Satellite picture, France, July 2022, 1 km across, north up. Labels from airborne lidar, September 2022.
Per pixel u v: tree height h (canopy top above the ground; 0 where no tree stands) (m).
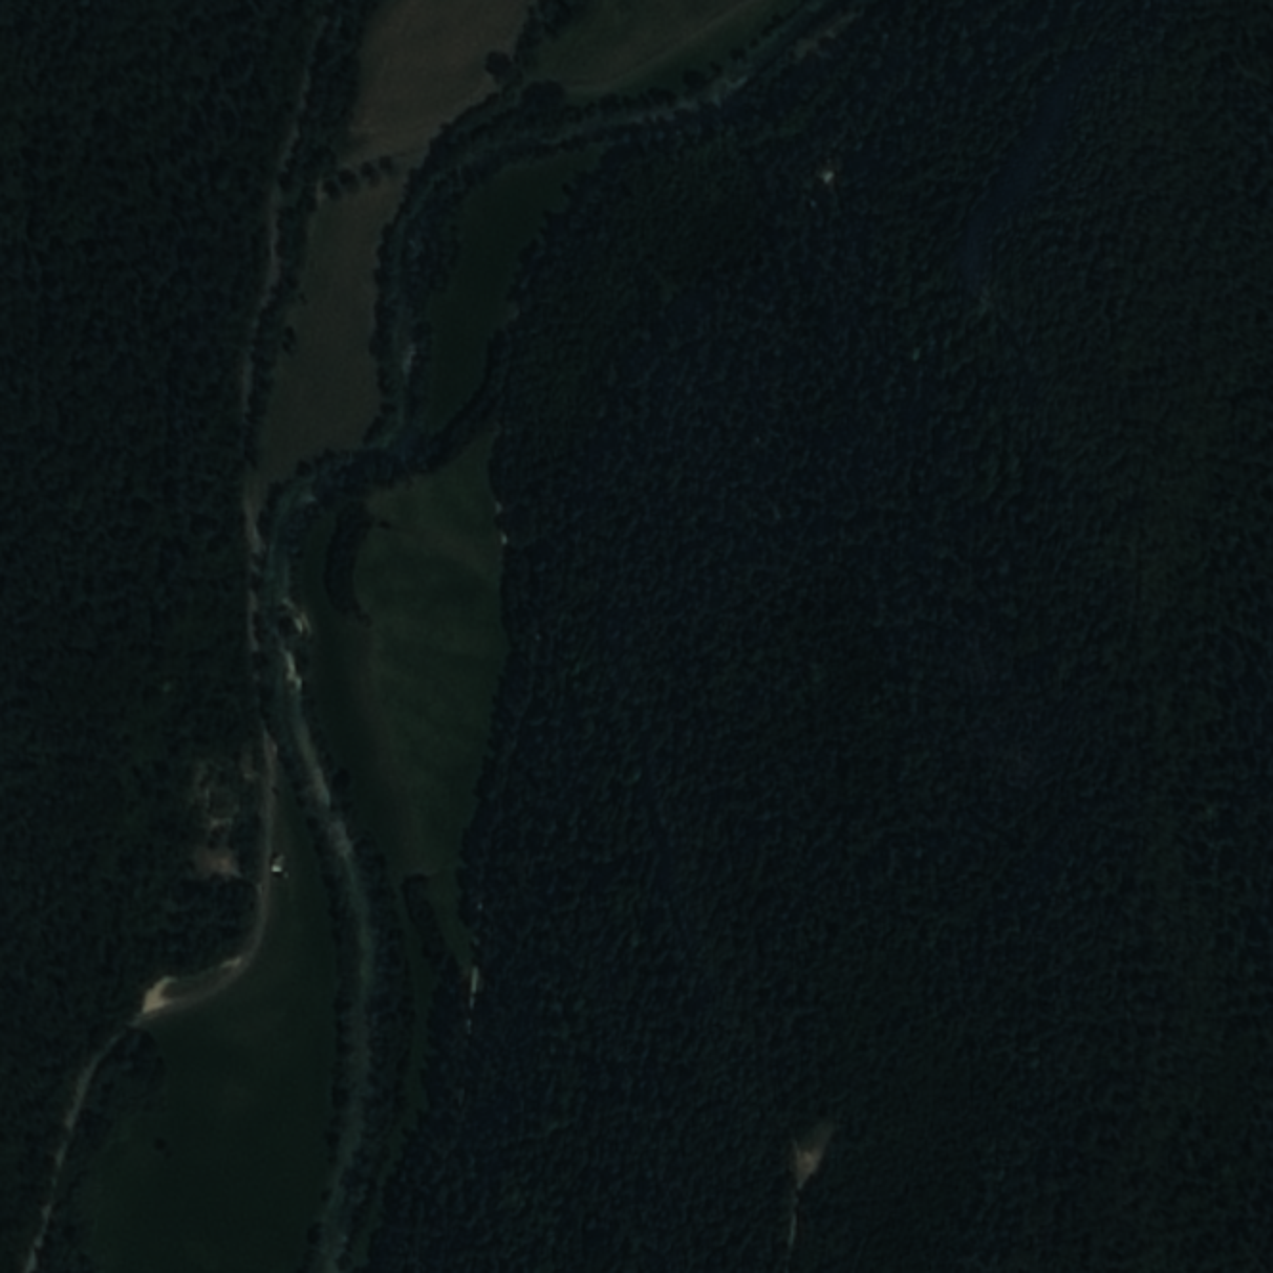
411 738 0
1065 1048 18
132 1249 0
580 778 18
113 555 15
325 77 17
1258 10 22
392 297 7
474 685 0
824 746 10
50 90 23
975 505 7
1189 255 22
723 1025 17
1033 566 33
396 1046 11
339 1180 0
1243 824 22
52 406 26
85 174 18
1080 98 19
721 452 7
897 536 19
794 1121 16
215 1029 0
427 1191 9
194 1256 0
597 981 16
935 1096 9
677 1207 29
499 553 0
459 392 0
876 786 12
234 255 26
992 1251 16
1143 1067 18
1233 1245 20
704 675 26
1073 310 14
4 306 23
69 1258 7
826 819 16
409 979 8
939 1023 7
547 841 17
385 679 0
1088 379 15
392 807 0
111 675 26
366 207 0
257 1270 0
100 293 22
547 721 7
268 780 0
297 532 6
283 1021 0
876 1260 10
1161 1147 24
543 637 31
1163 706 15
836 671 12
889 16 22
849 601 8
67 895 27
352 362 0
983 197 16
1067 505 12
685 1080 29
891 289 27
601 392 11
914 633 20
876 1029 8
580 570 23
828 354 10
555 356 8
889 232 24
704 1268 20
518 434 12
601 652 18
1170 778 14
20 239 14
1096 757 10
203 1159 0
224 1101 0
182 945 14
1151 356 11
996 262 12
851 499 37
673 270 8
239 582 14
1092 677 18
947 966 11
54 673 27
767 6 0
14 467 26
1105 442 9
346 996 9
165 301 17
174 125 12
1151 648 16
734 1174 25
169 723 18
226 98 18
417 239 13
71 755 27
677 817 15
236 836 7
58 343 31
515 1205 28
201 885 8
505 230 0
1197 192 16
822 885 20
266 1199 0
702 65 0
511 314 0
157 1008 0
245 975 0
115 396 29
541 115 20
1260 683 45
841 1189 9
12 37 23
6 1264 19
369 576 0
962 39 31
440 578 0
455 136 21
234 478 21
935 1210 11
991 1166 13
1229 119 29
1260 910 20
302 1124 0
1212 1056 23
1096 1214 15
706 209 6
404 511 0
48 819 29
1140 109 18
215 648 12
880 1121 6
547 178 0
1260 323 24
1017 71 32
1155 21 26
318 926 0
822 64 24
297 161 12
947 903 20
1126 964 10
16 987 27
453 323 0
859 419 18
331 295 0
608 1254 26
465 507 0
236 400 19
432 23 0
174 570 30
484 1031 8
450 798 0
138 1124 0
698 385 20
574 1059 24
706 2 0
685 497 20
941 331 31
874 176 30
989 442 16
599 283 9
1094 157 14
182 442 32
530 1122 23
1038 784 27
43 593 24
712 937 14
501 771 19
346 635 0
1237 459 26
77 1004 17
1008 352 12
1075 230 11
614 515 14
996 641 33
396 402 6
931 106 24
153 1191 0
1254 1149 12
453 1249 27
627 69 0
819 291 30
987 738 26
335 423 0
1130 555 14
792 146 32
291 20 22
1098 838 17
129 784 8
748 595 22
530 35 15
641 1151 22
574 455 14
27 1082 19
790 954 20
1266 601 14
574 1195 36
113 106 17
